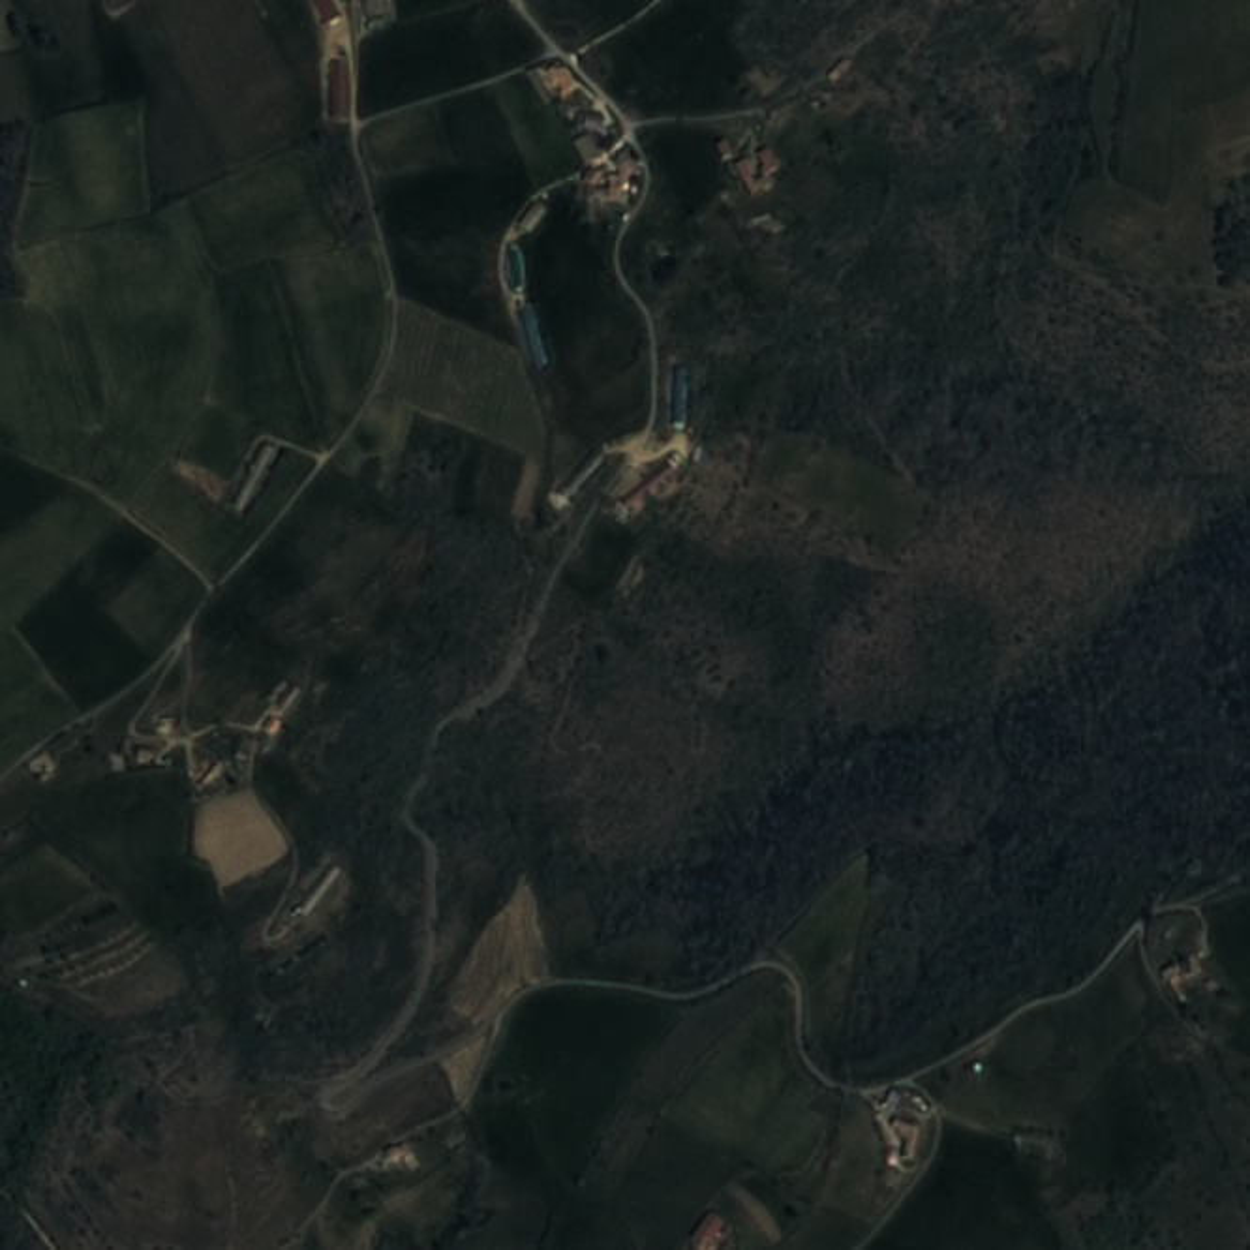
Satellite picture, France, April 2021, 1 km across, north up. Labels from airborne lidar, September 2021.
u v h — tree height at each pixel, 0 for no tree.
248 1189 0
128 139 0
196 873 0
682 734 7
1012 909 14
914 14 10
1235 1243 0
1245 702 12
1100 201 0
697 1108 0
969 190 15
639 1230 0
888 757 17
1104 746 17
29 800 0
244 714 0
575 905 0
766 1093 0
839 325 9
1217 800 15
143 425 0
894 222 9
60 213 0
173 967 0
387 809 9
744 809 19
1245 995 0
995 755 8
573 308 0
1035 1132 7
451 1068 0
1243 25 0
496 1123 0
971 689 10
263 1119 0
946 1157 0
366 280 0
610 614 8
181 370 0
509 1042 0
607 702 6
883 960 9
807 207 0
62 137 0
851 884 0
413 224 0
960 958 6
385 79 0
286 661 0
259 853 0
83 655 0
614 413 0
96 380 0
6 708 0
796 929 0
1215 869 9
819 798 12
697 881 14
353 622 0
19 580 0
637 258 11
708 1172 0
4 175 11
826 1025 0
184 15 0
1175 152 0
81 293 0
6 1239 15
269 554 0
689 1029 0
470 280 0
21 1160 7
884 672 8
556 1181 0
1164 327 8
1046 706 12
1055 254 0
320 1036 7
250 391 0
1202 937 0
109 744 0
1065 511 8
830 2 0
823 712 8
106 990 0
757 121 9
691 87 0
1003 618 9
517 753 9
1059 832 13
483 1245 0
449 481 8
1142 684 11
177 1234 0
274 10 0
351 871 0
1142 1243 9
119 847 0
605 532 0
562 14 0
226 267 0
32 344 0
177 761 0
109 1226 0
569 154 0
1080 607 7
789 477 0
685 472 7
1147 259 0
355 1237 0
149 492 0
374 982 0
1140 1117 0
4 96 0
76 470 0
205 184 0
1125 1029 0
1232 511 17
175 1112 0
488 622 9
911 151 11
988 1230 0
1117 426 8
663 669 9
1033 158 11
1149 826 11
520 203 0
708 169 0
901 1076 0
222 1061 0
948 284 11
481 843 9
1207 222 0
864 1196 0
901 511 0
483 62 0
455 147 0
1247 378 9
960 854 12
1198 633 13
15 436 0
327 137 10
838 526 6
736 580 10
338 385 0
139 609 0
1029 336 6
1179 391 7
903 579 6
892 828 13
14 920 0
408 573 0
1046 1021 0
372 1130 0
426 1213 0
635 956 0
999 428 13
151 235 0
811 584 9
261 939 0
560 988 0
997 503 7
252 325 0
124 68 0
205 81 0
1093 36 0
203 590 0
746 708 10
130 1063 6
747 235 15
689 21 0
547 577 7
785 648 13
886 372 11
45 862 0
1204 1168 0
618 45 0
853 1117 0
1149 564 12
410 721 8
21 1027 9
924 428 11
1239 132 0
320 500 0
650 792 8
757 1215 0
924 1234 0
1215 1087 0
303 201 0
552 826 11
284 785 0
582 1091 0
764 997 0
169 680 0
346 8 0
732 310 6
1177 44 0
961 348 16
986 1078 0
